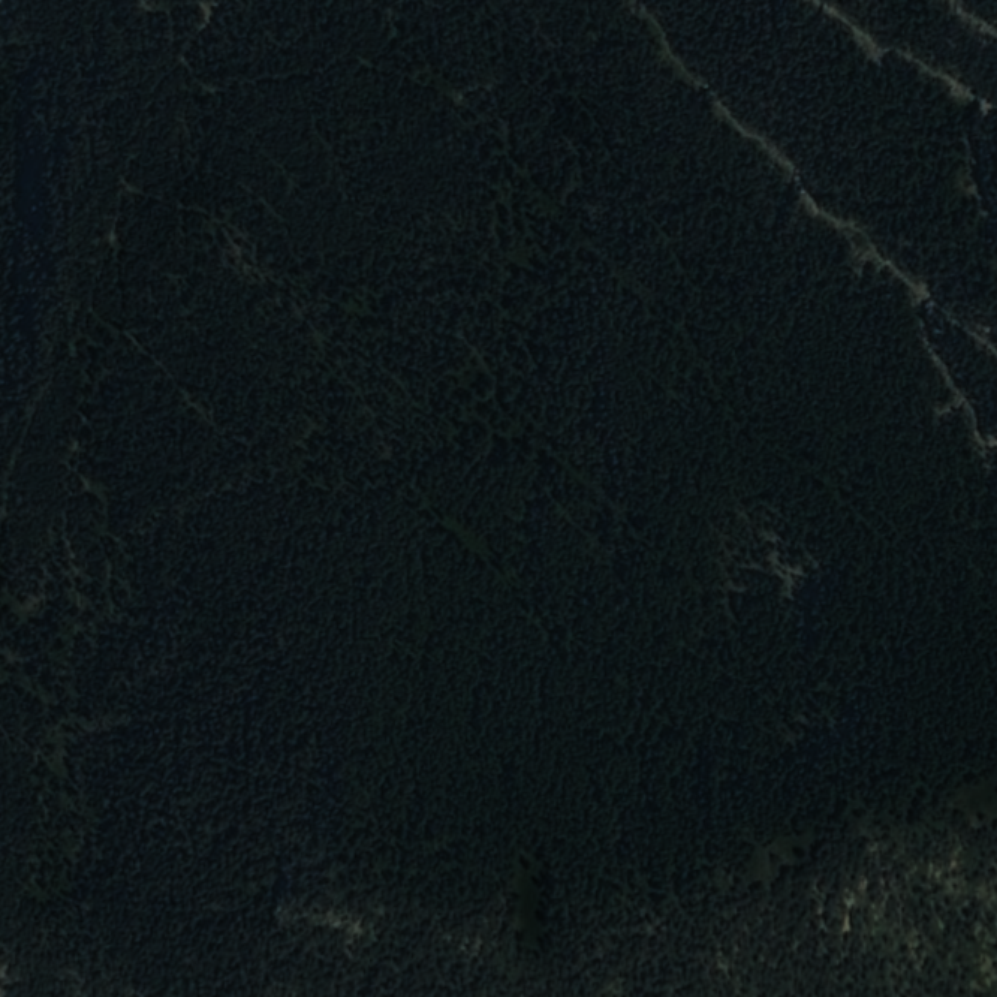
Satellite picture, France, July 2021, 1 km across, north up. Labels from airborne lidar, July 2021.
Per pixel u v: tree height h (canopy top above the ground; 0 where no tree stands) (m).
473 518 31
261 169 14
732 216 15
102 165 8
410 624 26
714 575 16
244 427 11
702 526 23
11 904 7
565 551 22
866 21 10
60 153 23
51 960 13
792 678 20
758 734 21
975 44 6
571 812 28
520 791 25
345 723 17
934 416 17
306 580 27
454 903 13
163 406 12
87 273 7
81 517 12
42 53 13
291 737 25
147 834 13
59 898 12
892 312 15
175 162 15
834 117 12
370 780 22
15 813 9
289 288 9
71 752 8
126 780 15
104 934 8
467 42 17
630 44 18
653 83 12
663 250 20
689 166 11
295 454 18
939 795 12
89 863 13
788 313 25
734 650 25
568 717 24
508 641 24
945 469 18
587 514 20
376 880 9
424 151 14
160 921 16
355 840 16
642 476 25
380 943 8
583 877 22
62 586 12
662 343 25
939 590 18
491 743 28
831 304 19
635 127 19
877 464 20
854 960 13
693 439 27
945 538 21
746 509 17
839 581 15
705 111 19
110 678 19
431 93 16
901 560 16
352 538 25
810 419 20
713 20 9
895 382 20
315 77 13
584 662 20
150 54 14
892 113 20
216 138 11
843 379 22
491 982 13
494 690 25
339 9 11
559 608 29
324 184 8
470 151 11
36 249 9
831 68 16
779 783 15
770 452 17
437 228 17
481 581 29
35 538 10
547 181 16
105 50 14
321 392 15
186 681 15
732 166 21
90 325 13
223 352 13
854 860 8
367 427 10
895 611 23
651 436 27
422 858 21
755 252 15
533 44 11
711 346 25
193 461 15
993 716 26
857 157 22
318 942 12
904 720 22
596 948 12
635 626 23
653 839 25
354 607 20
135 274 12
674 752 25
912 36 8
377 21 11
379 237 21
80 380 8
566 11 13
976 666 27
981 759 25
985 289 21
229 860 14
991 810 0
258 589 23
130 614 21
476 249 10
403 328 11
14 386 18
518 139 14
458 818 23
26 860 13
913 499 18
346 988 11
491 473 31
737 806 20
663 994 13
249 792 14
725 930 9
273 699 21
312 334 20
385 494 23
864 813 9
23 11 12
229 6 17
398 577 23
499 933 9
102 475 12
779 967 9
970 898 7
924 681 23
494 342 19
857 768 22
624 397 21
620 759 32
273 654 14
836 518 27
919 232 11
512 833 32
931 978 15
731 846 18
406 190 15
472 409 19
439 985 13
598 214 6
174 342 11
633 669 26
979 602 25
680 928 13
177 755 11
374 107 10
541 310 16
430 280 13
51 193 20
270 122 9
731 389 9
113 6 7
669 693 23
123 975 9
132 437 13
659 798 23
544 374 13
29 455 8
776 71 14
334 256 9
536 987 9
